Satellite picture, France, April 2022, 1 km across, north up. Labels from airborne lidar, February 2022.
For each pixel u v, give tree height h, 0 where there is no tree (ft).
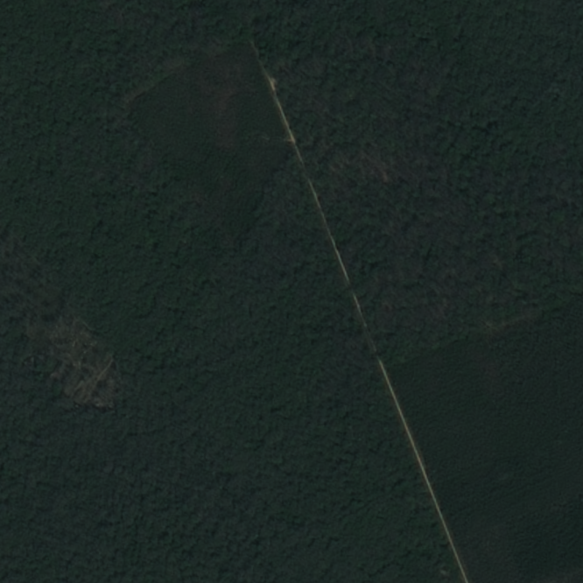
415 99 93
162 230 76
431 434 46
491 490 33
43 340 0
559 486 21
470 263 102
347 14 82
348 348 93
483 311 90
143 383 83
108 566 67
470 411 37
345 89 96
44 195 71
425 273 100
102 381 0
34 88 75
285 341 89
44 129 72
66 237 84
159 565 74
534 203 89
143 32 78
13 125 76
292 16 87
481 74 64
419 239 91
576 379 45
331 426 82
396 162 101
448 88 86
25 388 81
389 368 62
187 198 91
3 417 53
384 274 92
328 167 76
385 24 80
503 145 87
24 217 71
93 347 0
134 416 76
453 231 101
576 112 82
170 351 83
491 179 108
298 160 80
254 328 87
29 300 83
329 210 78
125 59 61
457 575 68
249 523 81
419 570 74
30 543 66
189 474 57
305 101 84
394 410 46
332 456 84
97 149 78
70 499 76
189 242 82
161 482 55
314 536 92
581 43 83
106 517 67
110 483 56
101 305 74
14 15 69
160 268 79
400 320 77
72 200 63
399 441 81
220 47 98
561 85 68
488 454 42
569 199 104
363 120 91
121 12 74
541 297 88
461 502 44
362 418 89
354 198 85
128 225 68
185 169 47
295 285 92
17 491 87
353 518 85
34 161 73
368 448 87
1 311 69
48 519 76
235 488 83
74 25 74
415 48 83
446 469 43
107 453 60
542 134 88
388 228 95
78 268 79
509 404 45
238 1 90
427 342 79
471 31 88
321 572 85
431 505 88
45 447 83
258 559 55
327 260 89
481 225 93
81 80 68
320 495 81
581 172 91
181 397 84
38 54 71
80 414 64
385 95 100
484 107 84
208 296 91
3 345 74
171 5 89
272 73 64
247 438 97
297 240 89
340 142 93
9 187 77
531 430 43
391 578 89
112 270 81
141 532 88
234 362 81
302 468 92
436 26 84
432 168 80
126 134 75
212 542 72
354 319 83
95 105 76
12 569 77
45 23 66
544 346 52
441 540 71
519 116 78
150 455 69
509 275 78
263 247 90
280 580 73
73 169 76
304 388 78
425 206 74
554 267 83
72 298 81
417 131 100
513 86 71
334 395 88
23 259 81
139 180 92
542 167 80
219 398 73
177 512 64
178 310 79
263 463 75
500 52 90
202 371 72
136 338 74
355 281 66
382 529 76
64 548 66
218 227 56
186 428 91
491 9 78
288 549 91
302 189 89
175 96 42
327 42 88
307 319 80
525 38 59
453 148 98
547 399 42
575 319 54
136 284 84
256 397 79
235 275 81
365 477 98
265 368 90
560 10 53
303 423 88
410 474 74
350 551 75
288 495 85
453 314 85
